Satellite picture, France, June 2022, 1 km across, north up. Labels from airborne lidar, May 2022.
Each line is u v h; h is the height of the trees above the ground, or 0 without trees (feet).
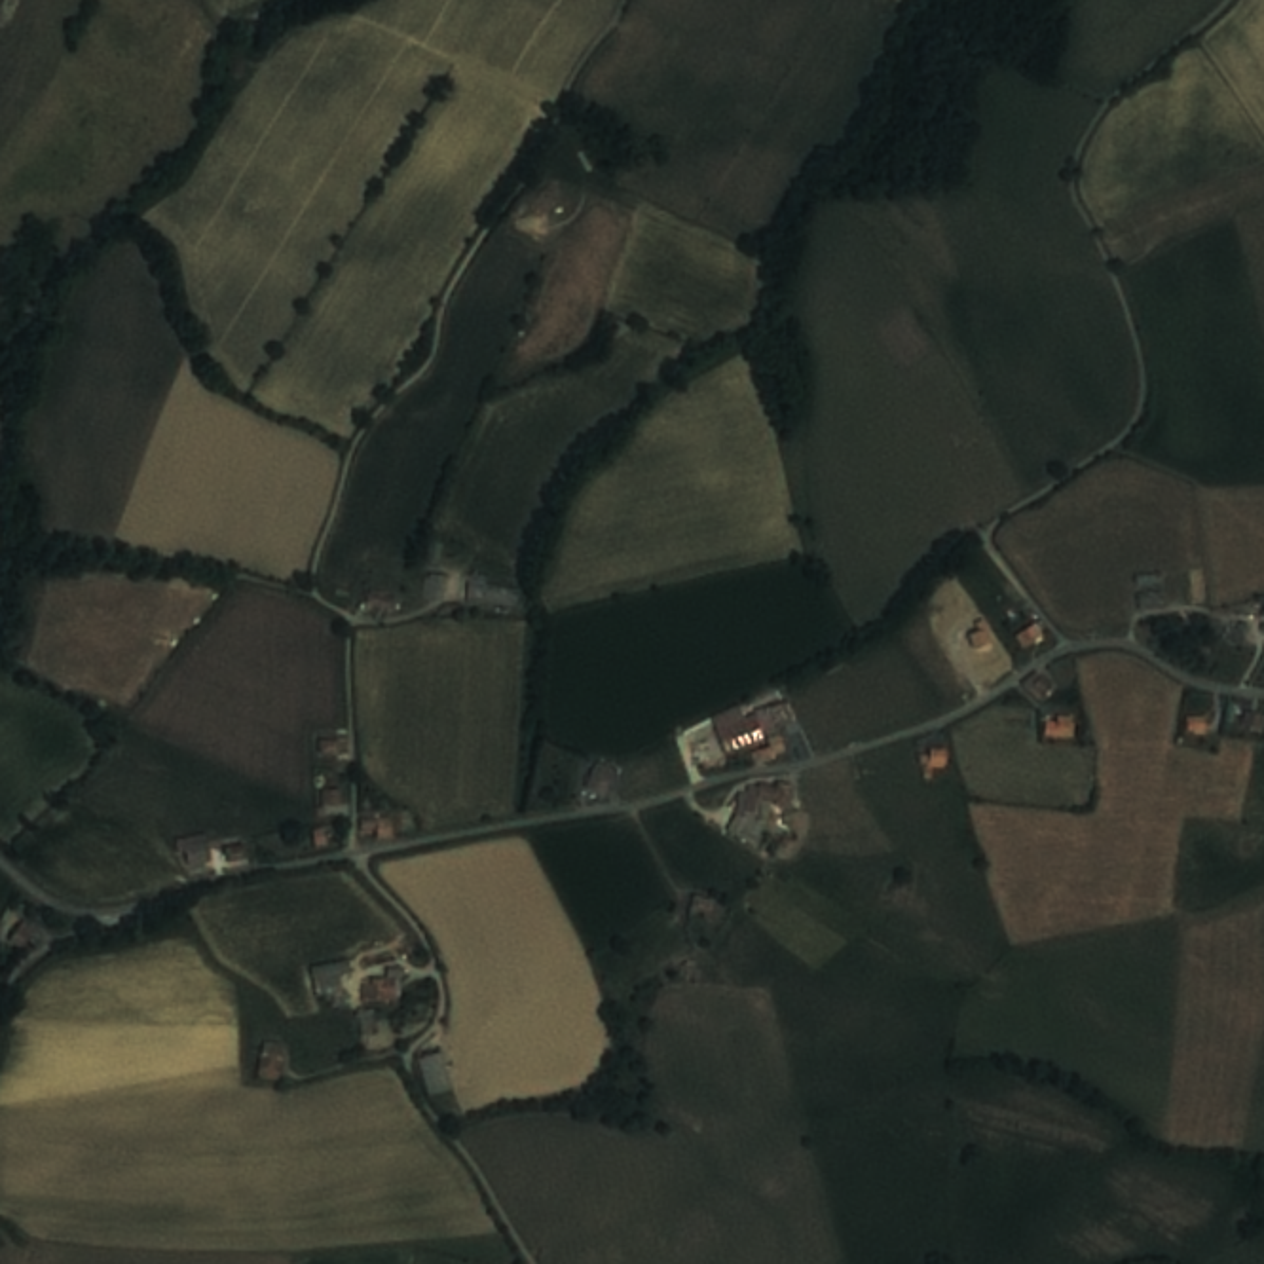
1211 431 0
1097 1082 0
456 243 0
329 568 0
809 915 0
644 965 0
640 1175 0
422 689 0
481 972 0
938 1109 0
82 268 58
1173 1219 0
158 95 0
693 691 0
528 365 0
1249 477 0
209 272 0
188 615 0
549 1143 0
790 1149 0
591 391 0
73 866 0
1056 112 0
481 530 0
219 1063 0
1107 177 0
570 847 0
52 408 0
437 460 0
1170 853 0
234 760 0
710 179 0
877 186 75
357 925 0
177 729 0
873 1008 0
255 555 0
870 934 0
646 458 0
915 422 0
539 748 32
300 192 0
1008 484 0
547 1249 0
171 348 0
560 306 0
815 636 0
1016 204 0
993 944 0
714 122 0
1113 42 0
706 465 0
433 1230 0
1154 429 0
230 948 0
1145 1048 0
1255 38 0
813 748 0
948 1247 0
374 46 0
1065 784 0
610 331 52
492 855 0
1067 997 0
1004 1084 0
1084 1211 0
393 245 0
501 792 0
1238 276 0
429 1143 0
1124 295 0
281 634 0
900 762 0
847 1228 0
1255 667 0
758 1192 0
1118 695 0
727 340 57
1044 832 0
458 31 0
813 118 0
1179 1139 0
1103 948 0
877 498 0
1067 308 0
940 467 0
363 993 0
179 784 0
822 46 0
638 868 0
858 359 0
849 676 0
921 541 0
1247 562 0
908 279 0
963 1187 0
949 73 69
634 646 0
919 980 0
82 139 0
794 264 63
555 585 0
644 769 0
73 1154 0
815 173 40
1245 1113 0
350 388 0
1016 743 0
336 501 0
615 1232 0
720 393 0
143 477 0
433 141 0
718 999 0
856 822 0
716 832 0
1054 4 25
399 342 0
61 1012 0
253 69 0
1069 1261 0
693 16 0
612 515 0
